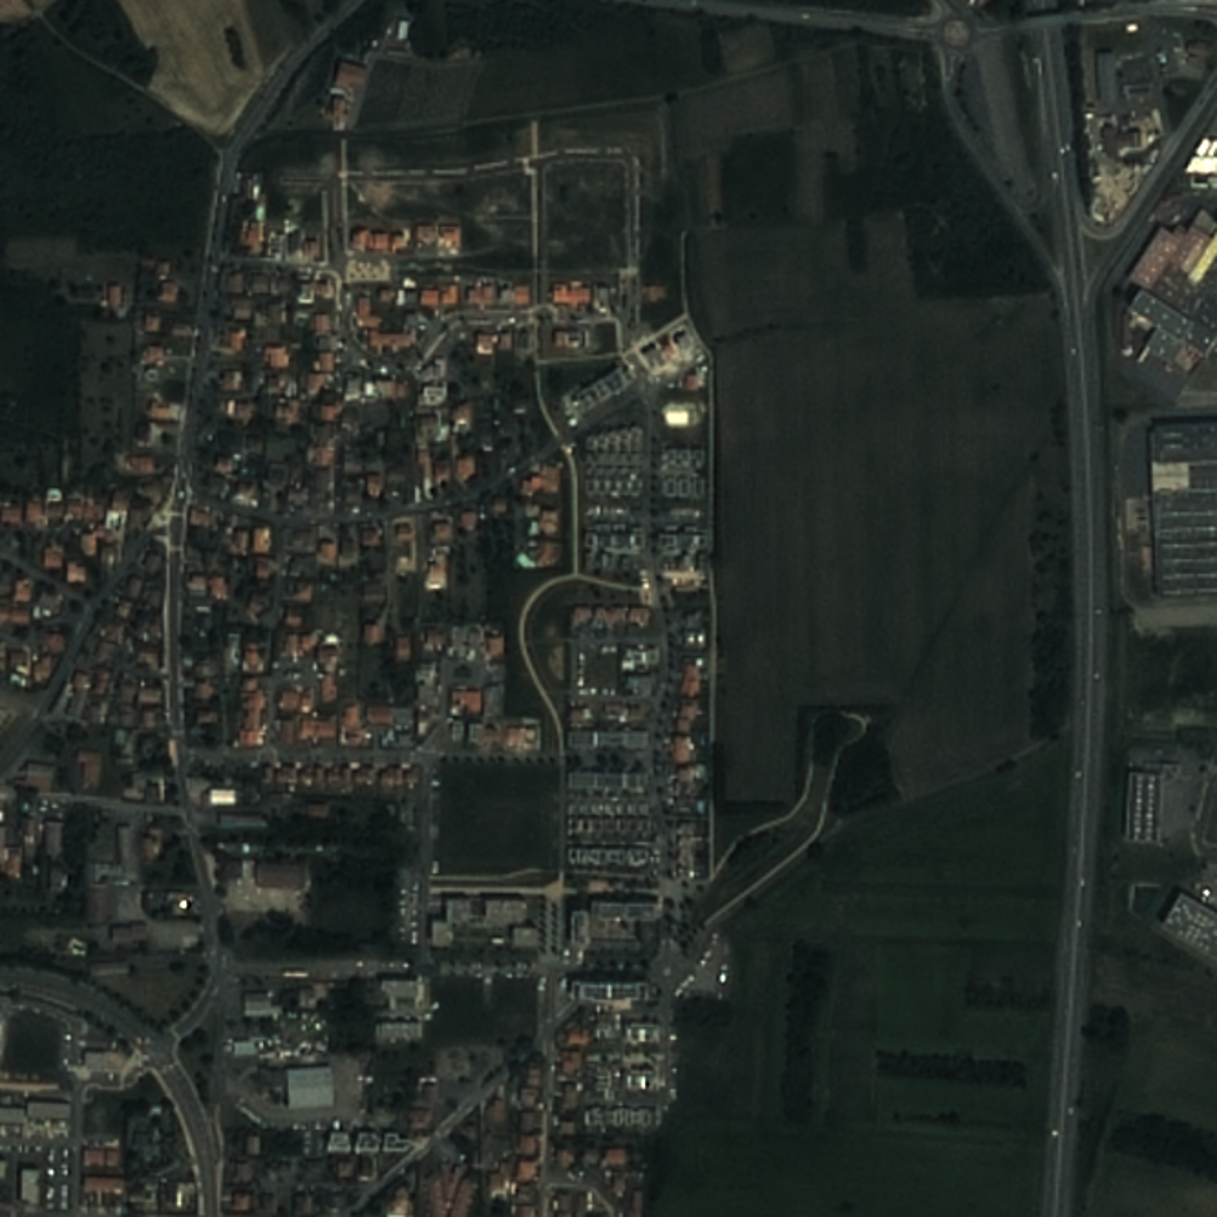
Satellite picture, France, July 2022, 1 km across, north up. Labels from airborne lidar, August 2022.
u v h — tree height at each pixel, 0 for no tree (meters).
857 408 0
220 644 12
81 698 0
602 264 0
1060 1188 0
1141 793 0
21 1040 0
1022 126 0
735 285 0
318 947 6
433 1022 0
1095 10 8
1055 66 0
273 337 0
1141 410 0
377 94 0
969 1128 0
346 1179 7
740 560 0
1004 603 0
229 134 0
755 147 0
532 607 0
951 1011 0
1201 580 0
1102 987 0
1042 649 7
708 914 0
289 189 0
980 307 0
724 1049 0
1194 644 0
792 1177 0
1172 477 0
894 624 0
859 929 0
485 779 0
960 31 0
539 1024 0
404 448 6
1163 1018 0
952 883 0
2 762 0
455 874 0
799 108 0
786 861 0
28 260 0
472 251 0
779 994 0
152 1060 0
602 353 0
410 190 0
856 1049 0
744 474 0
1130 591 0
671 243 0
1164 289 0
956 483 0
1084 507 0
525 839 0
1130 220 0
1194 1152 6
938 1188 0
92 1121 0
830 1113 0
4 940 0
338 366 0
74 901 11
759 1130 0
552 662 0
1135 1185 0
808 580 0
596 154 0
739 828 0
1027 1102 0
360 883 7
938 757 0
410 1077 7
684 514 0
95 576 6
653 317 0
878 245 0
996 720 0
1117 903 0
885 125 0
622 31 0
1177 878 0
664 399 0
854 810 7
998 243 7
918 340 0
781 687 0
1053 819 0
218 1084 0
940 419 0
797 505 0
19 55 11
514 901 0
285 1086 0
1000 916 0
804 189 0
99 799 0
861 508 0
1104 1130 0
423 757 0
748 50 0
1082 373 0
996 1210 0
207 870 0
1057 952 0
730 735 0
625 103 0
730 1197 0
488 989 0
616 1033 0
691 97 0
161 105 0
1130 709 0
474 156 0
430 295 0
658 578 6
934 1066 7
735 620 0
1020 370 0
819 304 0
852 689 0
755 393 0
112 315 7
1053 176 0
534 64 0
